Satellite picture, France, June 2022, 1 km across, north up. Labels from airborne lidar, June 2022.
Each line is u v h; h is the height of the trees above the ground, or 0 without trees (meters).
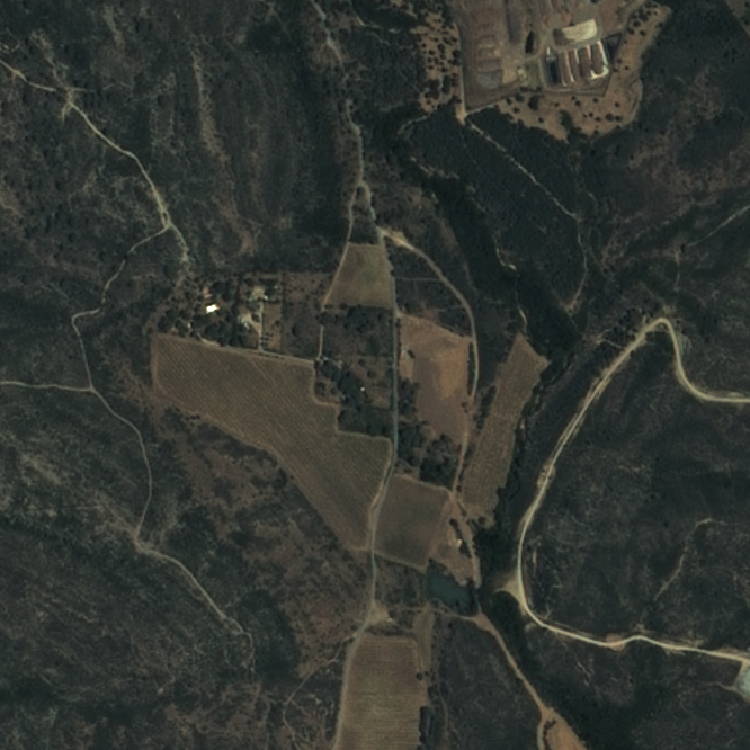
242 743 0
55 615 0
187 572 0
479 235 12
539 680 10
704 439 0
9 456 0
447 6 7
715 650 0
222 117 0
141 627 0
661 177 0
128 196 0
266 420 0
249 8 0
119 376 0
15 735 0
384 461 0
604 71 0
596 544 0
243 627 0
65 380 0
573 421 0
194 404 0
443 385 0
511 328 9
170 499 0
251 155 0
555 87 0
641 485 0
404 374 0
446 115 10
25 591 0
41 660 0
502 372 0
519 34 0
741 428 0
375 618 0
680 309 0
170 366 0
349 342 0
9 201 0
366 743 0
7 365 0
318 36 8
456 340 0
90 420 0
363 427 0
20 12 0
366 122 7
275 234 0
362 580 0
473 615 6
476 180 8
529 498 0
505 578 0
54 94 8
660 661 0
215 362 0
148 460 0
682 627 0
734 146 0
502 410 0
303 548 0
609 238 0
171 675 0
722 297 0
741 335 0
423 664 0
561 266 8
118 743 0
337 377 14
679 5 6
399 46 8
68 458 0
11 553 0
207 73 0
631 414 0
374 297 0
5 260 9
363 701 0
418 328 0
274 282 6
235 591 0
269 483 0
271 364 0
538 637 0
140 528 0
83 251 0
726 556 0
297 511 0
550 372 8
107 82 0
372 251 0
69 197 0
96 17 0
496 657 0
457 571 0
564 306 0
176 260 0
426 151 8
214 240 0
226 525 0
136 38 0
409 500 0
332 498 0
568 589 0
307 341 0
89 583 0
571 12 0
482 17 0
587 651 0
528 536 0
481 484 0
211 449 0
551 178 9
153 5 0
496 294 7
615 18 0
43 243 0
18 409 0
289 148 0
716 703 0
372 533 0
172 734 0
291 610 0
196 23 0
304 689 0
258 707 0
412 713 0
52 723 0
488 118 11
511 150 10
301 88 6
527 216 8
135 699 0
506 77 0
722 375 0
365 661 0
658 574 0
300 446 0
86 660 0
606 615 0
